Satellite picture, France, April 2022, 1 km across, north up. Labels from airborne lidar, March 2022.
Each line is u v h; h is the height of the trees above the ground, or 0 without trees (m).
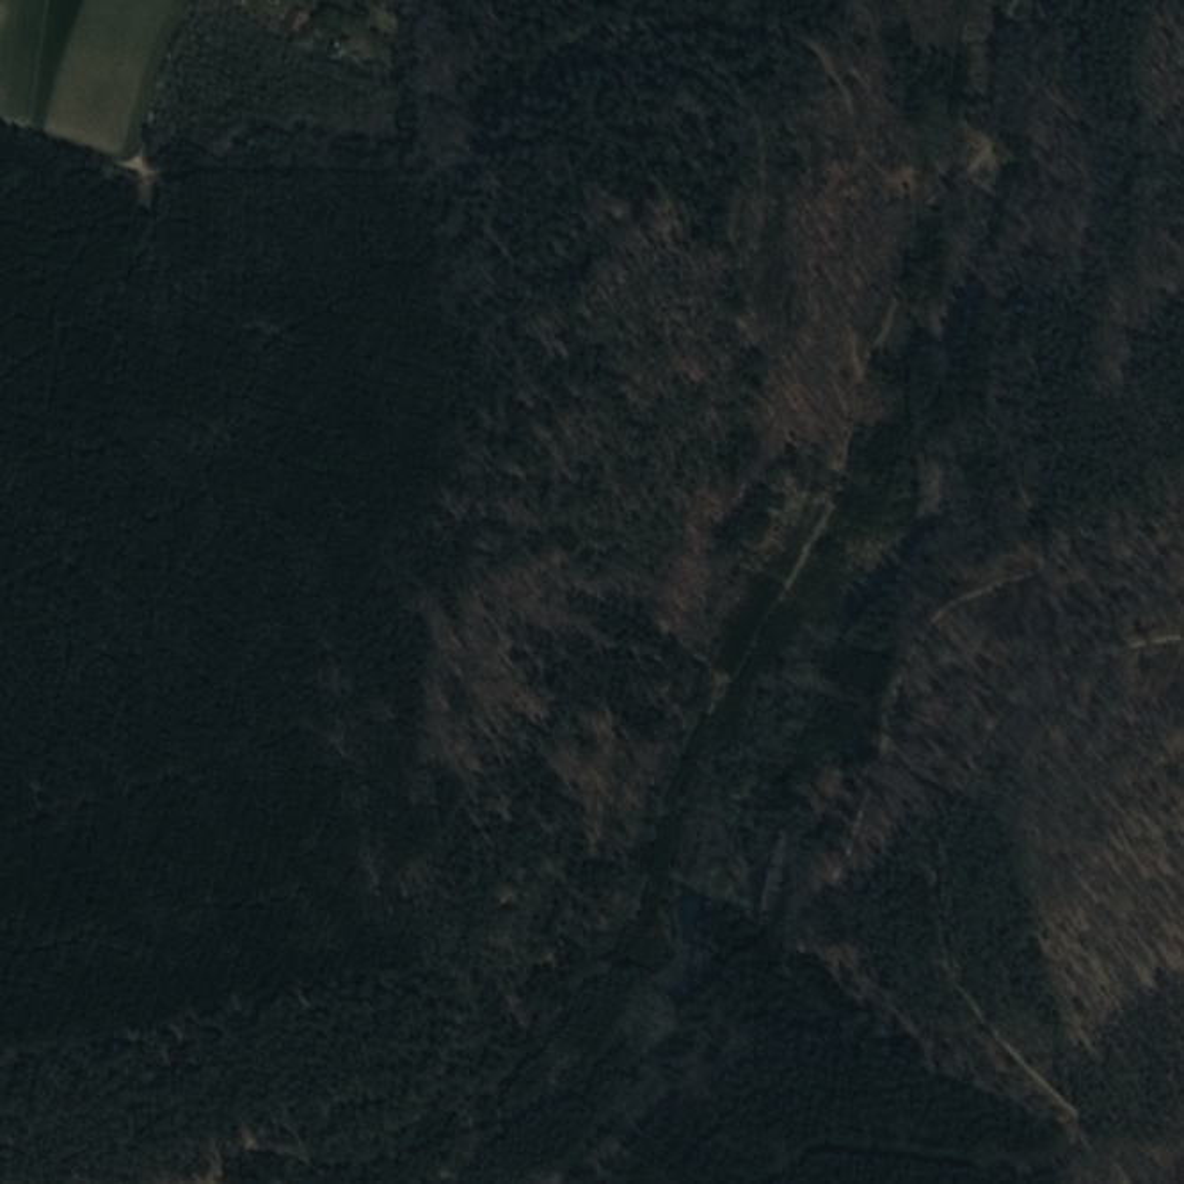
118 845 18
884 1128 28
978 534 26
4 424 20
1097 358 27
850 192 26
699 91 32
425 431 18
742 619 9
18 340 17
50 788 19
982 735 17
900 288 27
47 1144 23
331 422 16
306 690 19
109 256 20
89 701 19
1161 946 27
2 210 18
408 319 20
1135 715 28
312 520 19
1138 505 28
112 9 0
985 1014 23
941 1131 28
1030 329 27
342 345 17
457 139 26
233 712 18
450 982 26
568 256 21
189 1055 19
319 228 18
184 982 17
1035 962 18
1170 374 29
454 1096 22
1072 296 24
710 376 23
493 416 24
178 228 20
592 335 26
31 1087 26
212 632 20
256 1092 30
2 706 19
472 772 21
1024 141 22
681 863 11
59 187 18
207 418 20
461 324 21
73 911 16
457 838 22
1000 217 19
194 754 18
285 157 18
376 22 0
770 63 10
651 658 28
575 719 29
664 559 22
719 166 31
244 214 20
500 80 13
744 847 19
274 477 20
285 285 20
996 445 20
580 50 9
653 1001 23
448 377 17
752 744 7
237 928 15
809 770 7
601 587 26
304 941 19
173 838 18
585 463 27
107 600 21
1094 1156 24
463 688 24
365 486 17
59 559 22
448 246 19
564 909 29
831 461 24
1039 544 24
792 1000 10
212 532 16
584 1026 30
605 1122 31
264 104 12
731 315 30
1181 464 28
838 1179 26
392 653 29
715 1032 28
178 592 19
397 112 13
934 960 25
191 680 19
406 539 21
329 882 16
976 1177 27
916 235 22
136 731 20
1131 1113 32
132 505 21
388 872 22
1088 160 26
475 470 21
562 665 28
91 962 16
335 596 21
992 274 26
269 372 18
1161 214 22
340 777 17
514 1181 27
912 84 20
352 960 16
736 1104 23
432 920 26
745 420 29
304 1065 26
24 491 14
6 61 0
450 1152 29
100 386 18
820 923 28
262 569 18
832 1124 31
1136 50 24
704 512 19
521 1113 20
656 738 36
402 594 25
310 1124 23
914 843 26
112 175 20
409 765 22
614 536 20
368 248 20
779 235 27
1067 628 31
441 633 24
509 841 25
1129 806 25
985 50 0
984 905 24
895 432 8
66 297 18
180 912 18
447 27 30
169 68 9
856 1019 20
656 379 26
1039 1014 23
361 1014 30
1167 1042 31
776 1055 25
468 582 22
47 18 0
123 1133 19
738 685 8
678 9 30
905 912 27
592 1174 11
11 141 17
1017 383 23
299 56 9
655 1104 22
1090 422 30
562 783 25
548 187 29
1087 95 21
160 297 20
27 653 19
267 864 17
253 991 18
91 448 17
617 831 29
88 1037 14
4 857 16
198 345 21
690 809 11
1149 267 25
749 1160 19
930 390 27
